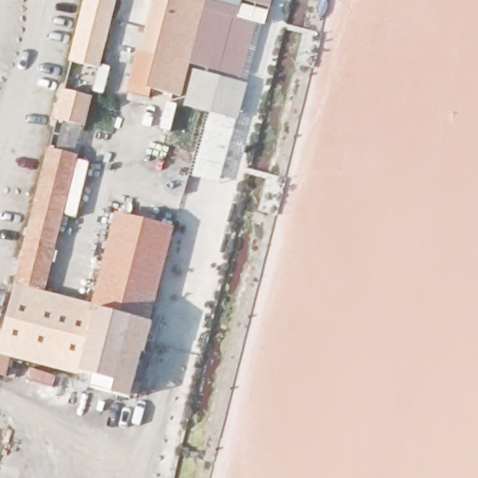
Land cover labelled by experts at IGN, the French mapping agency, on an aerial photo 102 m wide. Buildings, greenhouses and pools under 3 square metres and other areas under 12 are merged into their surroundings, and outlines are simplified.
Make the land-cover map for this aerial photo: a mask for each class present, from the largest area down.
<instances>
[{"label":"water","instance_id":"1","mask_svg":"<svg viewBox=\"0 0 478 478\"><path fill-rule=\"evenodd\" d=\"M321 19L327 21L325 49L308 93V103L302 116L301 134L289 170L291 189L286 207L276 222L273 245L265 265V276L256 302V314L248 332L245 357L237 377V388L233 392L232 409L224 431L222 448L213 469V478H478V0H327L321 13Z\"/></svg>","mask_w":478,"mask_h":478},{"label":"pervious surface","instance_id":"2","mask_svg":"<svg viewBox=\"0 0 478 478\"><path fill-rule=\"evenodd\" d=\"M84 0H0V329L6 319L11 289L15 282L13 261L19 258L22 233L28 226L34 207L35 190L41 176L39 166L45 161L47 149L58 144V136L62 131V123L52 118V112L58 101L60 88H67V78L73 63L69 60V54L77 30L78 9L82 7ZM243 6L260 7L267 11L265 21L254 26V50L248 54L245 73L235 78L239 82H245V97L237 118H226L222 114L207 116L200 148L196 151H176V146H157L155 142L164 140L172 129L176 108L170 91L159 93L157 90H149L151 103L144 106H140L136 101H129L125 95L119 93L123 71L133 63L136 52V47L125 45L121 41L125 34V26L129 24L138 32H144L142 22L129 19L133 0H116L101 62L103 63L108 65L105 91L106 95L121 108L118 118L114 119L116 133L110 140H103L93 138V131L82 129L78 136L77 148L63 146L62 149L69 153H77L78 159L88 162V168L80 192L77 213L73 217L67 215L62 220L56 239V261L50 265L47 278V291L73 297L78 301H91V291L95 289L99 278V271H95V267L97 260H103V245L110 233V215L119 211L123 215L133 213L138 217L172 222V237L157 288V293L162 297L161 306L157 314L148 317L151 321L148 342L144 351L140 353L131 392H114L112 396H108L103 390H93L86 375L65 372L19 358H13L7 366V372L11 373V381H0V478H213V469L222 448L224 431L232 409L233 392L237 388V377L245 357L248 332L256 314V302L265 276V265L273 245L276 222L286 207L291 189L289 170L301 134L302 116L308 103V93L325 49L327 21L321 19V13L327 0H241ZM26 370L54 375V385L47 387L26 379L22 375Z\"/></svg>","mask_w":478,"mask_h":478},{"label":"building","instance_id":"3","mask_svg":"<svg viewBox=\"0 0 478 478\"><path fill-rule=\"evenodd\" d=\"M116 0H84L82 7L78 9L77 30L69 54V60L73 63H80L82 60L88 63L101 62ZM267 11L260 7L243 6L241 0H133L129 19L142 22L144 32H138L129 24L125 26V34L121 41L125 45L136 47V52L133 63L123 71L119 93L125 95L129 101H136L140 106H144L151 103L149 90H157L159 93L170 91L176 108H192L204 110L207 116L222 114L226 118H237L245 97V82H239L235 78L245 73L248 54L254 50V26L265 21ZM108 65L103 63L97 69L95 82L91 84V88L99 93L105 91ZM91 99L86 93L67 88H60L58 101L52 112V118L62 123V131L58 136V144L47 149L45 161L39 166L41 176L35 190L34 207L28 226L22 233L19 258L13 261L15 282L11 289L6 319L0 329V381H11V373L7 372V366L13 358H19L65 372L86 375L93 390H103L108 396H112L114 392H131L140 353L144 351L148 342L151 321L148 317L157 314L161 306L162 297L157 293V288L172 237V222L138 217L133 213L123 215L119 211L110 215V233L103 245V260H97L95 267V271H99V278L95 289L91 291V301H78L73 297L47 291V278L50 265L56 261V239L62 220L67 215L73 217L77 213L80 192L88 168V162L78 159L77 153H69L62 149L63 146L77 148L78 136L82 129L86 123ZM22 375L26 379L47 387L54 385V375L26 370Z\"/></svg>","mask_w":478,"mask_h":478},{"label":"brushwood","instance_id":"4","mask_svg":"<svg viewBox=\"0 0 478 478\"><path fill-rule=\"evenodd\" d=\"M121 108L106 95L105 91L99 93L91 99L86 123L82 129L93 131V138L103 140H110L116 133L114 119L118 118ZM192 108H176L172 129L181 131L189 127Z\"/></svg>","mask_w":478,"mask_h":478},{"label":"herbaceous vegetation","instance_id":"5","mask_svg":"<svg viewBox=\"0 0 478 478\"><path fill-rule=\"evenodd\" d=\"M207 116L204 110L192 108L189 127L181 131L172 129L164 140L155 142L157 146H176V151H196L200 148Z\"/></svg>","mask_w":478,"mask_h":478},{"label":"impervious surface","instance_id":"6","mask_svg":"<svg viewBox=\"0 0 478 478\"><path fill-rule=\"evenodd\" d=\"M103 63L101 62L88 63L82 60L80 63H73L67 78V88L86 93L91 99L99 93L91 88V84L95 82L97 69Z\"/></svg>","mask_w":478,"mask_h":478}]
</instances>
